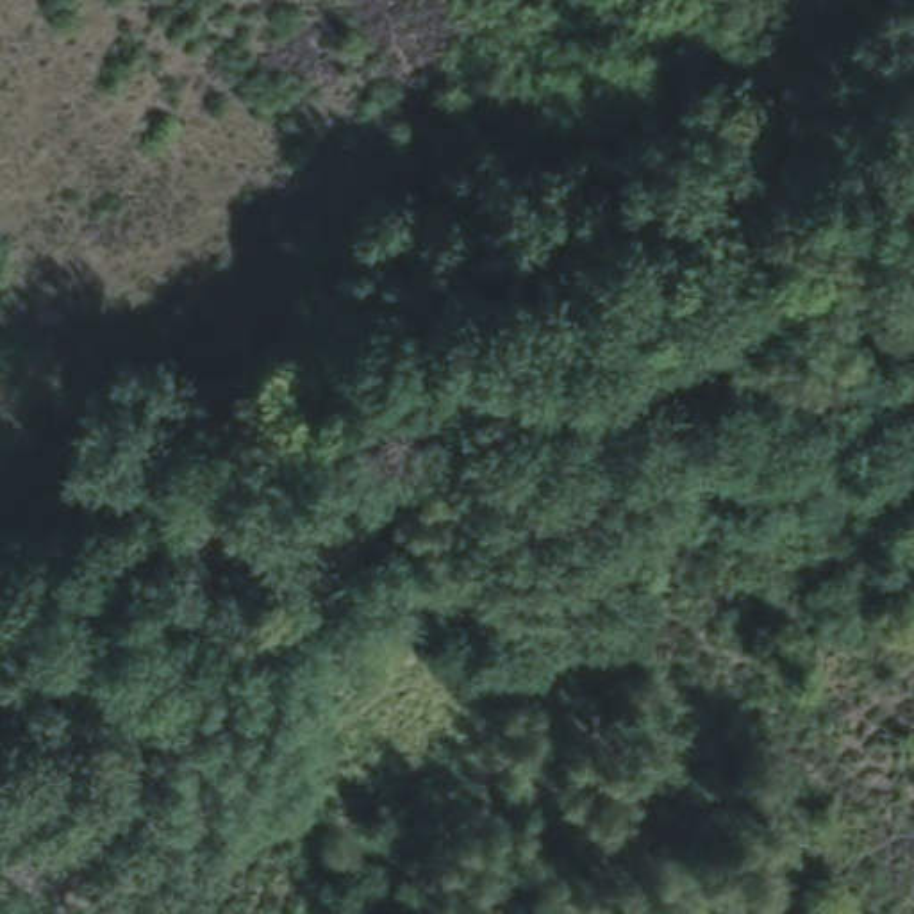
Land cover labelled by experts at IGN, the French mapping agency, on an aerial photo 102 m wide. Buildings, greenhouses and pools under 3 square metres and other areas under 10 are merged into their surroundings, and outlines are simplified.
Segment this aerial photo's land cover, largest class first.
<instances>
[{"label":"coniferous trees","instance_id":"1","mask_svg":"<svg viewBox=\"0 0 914 914\"><path fill-rule=\"evenodd\" d=\"M785 21L771 54L760 61H728L700 36L671 32L661 39H646L628 57L657 64L646 89H621L614 79L593 75L578 86V96L582 114L568 143H532L511 150L503 136L478 132L468 146L457 150L450 164H403L389 179H371L339 239V257L328 278V293L321 300L325 321L318 328H286L246 361H236L229 350H214L207 339L114 343L107 357L82 371L75 400L64 414V439L57 446L29 450L18 461V468L0 478V914H79L68 900L71 893L86 885H114L118 857L139 853L143 832H164L171 807L179 803V764L196 760L218 746L261 750V757L268 760L275 757L282 732L289 728L293 671L307 661H318L321 650L346 653L357 643L364 614L357 607L368 603L375 586L414 582L418 589H428L432 564H450L453 582H478L493 603L528 596H568L575 593L582 575H593L611 553L621 550V543L636 528L675 521V500H664V489L682 475L696 471V464L682 446H675V436L668 428L671 414L657 400L661 393L696 386L714 371H728L743 357L757 371L785 368L807 375L810 361L825 346L839 350L835 368L846 375L860 357V336L878 339L885 328L914 321V0H778Z\"/></svg>","mask_w":914,"mask_h":914},{"label":"deciduous trees","instance_id":"2","mask_svg":"<svg viewBox=\"0 0 914 914\"><path fill-rule=\"evenodd\" d=\"M860 357L846 375L835 368L839 350L825 346L810 361L807 375L785 368L757 371L743 357L728 371H714L696 386L661 393L657 400L671 414L668 428L675 436V446H682L696 464V471L682 475L664 489V500H675V521L636 528L621 543V550L611 553L593 575H582L575 593L568 596H528L493 603L478 582H453L450 564H432L428 589H418L414 582L375 586L368 603L357 607L364 614L357 643L346 653L321 650L318 661H307L293 671L289 728L282 732L275 757L268 760L261 757V750L218 746L196 760L179 764V803L171 807L164 832H143L139 853L118 857L114 885H86L71 893L68 900L79 914H189L211 882H232L243 860L261 853L264 843L296 839L311 832L321 803L336 793V768L346 757L350 739V707L364 696V686L371 682L375 668L389 650H414L421 661H428V671L446 686V693L461 707L489 693H546L553 678L568 668H614L643 661L657 646L664 625V586L671 557L693 536L707 532V514L739 521V532L728 536L732 546L771 553L793 536L835 532L846 514H882L900 539L889 550L878 586L900 589L914 575V321L885 328L878 339L860 336ZM768 750L764 710H746L725 689H707L693 686L678 700V693L657 696L650 682L639 693L636 721H611L603 735L589 732L568 743L557 739L553 746L546 714H514L507 725L496 728V760L507 771V789L493 796V821L464 832L439 857V864L407 868V885L386 878L382 896H375L361 914H785L789 871L800 868L803 857H821L839 839V821H832L828 814H807L800 807L803 785L796 778H771L760 771Z\"/></svg>","mask_w":914,"mask_h":914},{"label":"herbaceous vegetation","instance_id":"3","mask_svg":"<svg viewBox=\"0 0 914 914\"><path fill-rule=\"evenodd\" d=\"M118 25L107 0H0V478L18 468V461L29 450L57 446L64 439V414L75 400L82 371L107 357L114 343L207 339L214 350H229L236 361H246L286 328H318L325 321L321 300L328 293V278L339 257V239L371 179H389L403 164H450L457 150L468 146L478 132L503 136L511 150L532 143H568L582 114L578 96H482L468 107L450 111L443 104V93H450L446 71L425 64L407 75L403 100L371 121H350L343 114H321L318 107L296 104L289 111L271 114V121H257L246 114L243 100L229 104L218 114H207L204 100L186 89L179 93V100H164L150 71H139L136 79L125 75L111 93L96 86V71L104 64V54L114 46ZM875 618H860L864 653H853L846 664H839V671L828 678V696L821 700V707L810 710L796 707V696L803 689L785 682L775 671V664L739 650V618L725 614L718 636H707V628L693 636L696 646L714 657L707 689H725L746 710H764L768 750L760 771L771 778H796L803 785L800 807L807 814H828L832 821H839V839L821 857L832 868L828 889L857 896L860 914H914V653H885L889 639L871 625Z\"/></svg>","mask_w":914,"mask_h":914},{"label":"brushwood","instance_id":"4","mask_svg":"<svg viewBox=\"0 0 914 914\"><path fill-rule=\"evenodd\" d=\"M118 25L114 46L104 54V64L96 71V86L111 93L125 75L136 79L139 71H150L164 100H179V93L186 89L204 100L207 114H218L229 104L243 100L246 114L257 121H271V114L289 111L296 104L318 107L321 114H343L350 121H371L403 100L407 75L425 64L446 71L450 93H443V104L450 111L468 107L482 96H578V86L593 75L614 79L621 89H646L657 64L628 57L646 39H661L671 32L700 36L728 61H760L771 54L785 21L778 0H107ZM739 532V521L707 514V532L693 536L671 557L664 586V625L657 646L643 661L614 668H568L553 678L546 693H489L461 707L446 693V686L428 671V661H421L414 650H389L375 668L371 682L364 686V696L350 707V739L346 757L336 768V793L321 803L311 832L296 839L264 843L261 853L243 860L232 882H211L189 914H361L375 896H382L386 878L407 885V868L439 864V857L464 832L493 821V796L507 789V771L496 760V728L507 725L514 714H546L553 746L557 739L568 743L589 732L603 735L611 721H636L639 693L650 682L657 696L678 693V700L693 686L707 689L714 657L696 646L693 636L707 628V636H718L725 614L739 618V650L775 664V671L785 682L803 689L796 696V707L810 710L821 707V700L828 696V678L839 671V664H846L853 653H864L860 618H875L871 625L889 639L885 653H914V575L900 589L878 586L889 550L900 539L882 514H846L835 532L793 536L771 553L732 546L728 536ZM832 868L821 857H803L800 868L789 871L785 914H860L857 896L828 889Z\"/></svg>","mask_w":914,"mask_h":914}]
</instances>
